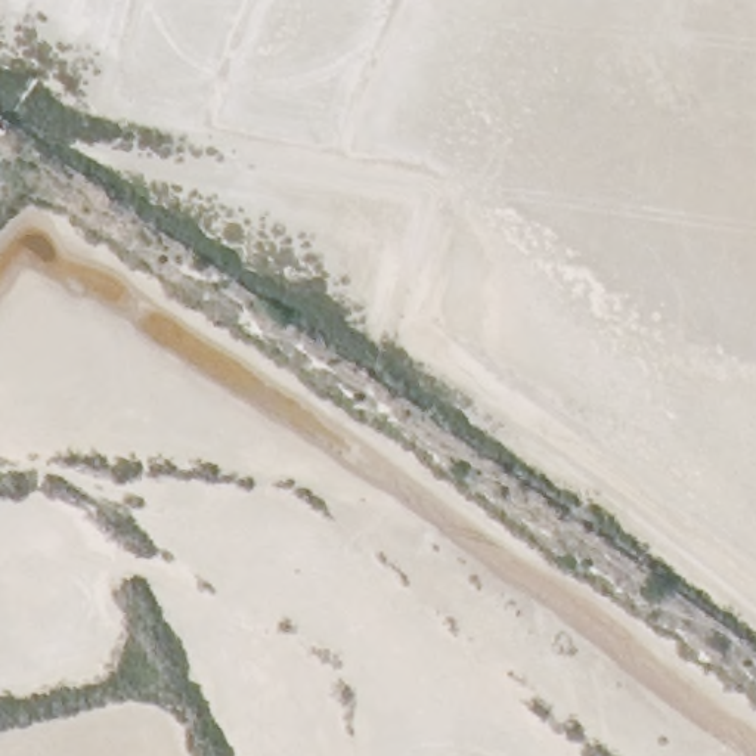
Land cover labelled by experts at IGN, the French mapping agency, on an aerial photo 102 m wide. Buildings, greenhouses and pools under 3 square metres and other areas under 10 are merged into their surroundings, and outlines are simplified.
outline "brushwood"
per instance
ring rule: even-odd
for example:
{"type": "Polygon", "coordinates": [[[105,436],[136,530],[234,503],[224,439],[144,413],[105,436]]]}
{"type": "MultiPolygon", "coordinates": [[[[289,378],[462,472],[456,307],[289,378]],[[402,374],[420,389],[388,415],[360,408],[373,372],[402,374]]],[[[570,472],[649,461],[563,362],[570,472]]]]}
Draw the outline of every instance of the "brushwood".
{"type": "Polygon", "coordinates": [[[35,473],[0,473],[0,499],[24,499],[32,493],[35,473]]]}
{"type": "Polygon", "coordinates": [[[192,756],[233,756],[233,747],[227,744],[221,726],[210,712],[210,703],[201,694],[201,685],[189,676],[189,659],[180,638],[162,617],[162,608],[148,579],[142,576],[124,579],[112,591],[112,599],[124,611],[127,632],[121,662],[106,679],[77,688],[59,685],[30,697],[0,697],[0,732],[15,726],[32,726],[38,721],[80,715],[89,709],[100,709],[106,703],[136,700],[171,712],[186,726],[186,747],[192,756]]]}

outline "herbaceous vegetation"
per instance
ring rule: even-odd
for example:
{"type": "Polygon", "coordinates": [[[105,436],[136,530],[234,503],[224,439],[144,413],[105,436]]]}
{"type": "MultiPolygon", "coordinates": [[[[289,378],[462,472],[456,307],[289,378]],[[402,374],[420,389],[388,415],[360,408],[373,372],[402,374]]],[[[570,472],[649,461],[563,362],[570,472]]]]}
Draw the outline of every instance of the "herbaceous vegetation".
{"type": "Polygon", "coordinates": [[[68,467],[86,467],[92,473],[112,475],[115,481],[130,481],[142,475],[139,461],[68,452],[53,458],[68,467]]]}
{"type": "Polygon", "coordinates": [[[313,251],[307,230],[289,233],[284,224],[272,227],[266,213],[248,219],[245,207],[219,204],[216,195],[165,183],[183,162],[183,157],[213,157],[216,162],[221,162],[224,154],[219,148],[201,148],[189,142],[183,133],[162,133],[145,124],[118,124],[109,118],[89,115],[83,89],[100,80],[100,50],[95,44],[62,41],[59,24],[44,12],[24,12],[24,21],[18,27],[0,27],[0,295],[12,286],[15,266],[44,272],[47,278],[62,284],[65,295],[71,298],[89,295],[109,304],[148,340],[174,351],[177,357],[201,369],[207,378],[251,402],[260,413],[289,425],[328,458],[334,458],[346,473],[390,493],[408,511],[431,523],[443,537],[449,537],[461,549],[458,564],[470,576],[470,585],[496,594],[499,602],[514,611],[514,617],[535,614],[537,605],[561,617],[564,623],[558,626],[552,641],[552,650],[558,656],[576,656],[588,644],[599,647],[620,670],[626,670],[632,679],[638,679],[644,688],[662,697],[670,709],[676,709],[694,726],[729,744],[732,750],[741,750],[744,756],[756,756],[756,623],[741,623],[732,611],[712,602],[706,591],[676,576],[662,558],[650,552],[647,543],[629,535],[602,505],[579,499],[579,493],[558,487],[546,473],[520,461],[496,437],[475,428],[464,416],[473,408],[473,396],[467,396],[464,390],[452,390],[440,378],[428,375],[422,363],[416,363],[402,346],[390,340],[369,340],[369,334],[363,334],[366,307],[351,301],[346,307],[343,301],[334,301],[328,295],[325,263],[313,251]]]}
{"type": "Polygon", "coordinates": [[[221,473],[210,461],[183,470],[171,461],[154,461],[154,478],[168,475],[180,481],[201,478],[213,484],[236,484],[242,490],[254,487],[251,475],[221,473]]]}
{"type": "Polygon", "coordinates": [[[35,473],[32,493],[47,493],[53,499],[80,505],[89,520],[109,532],[133,555],[154,555],[171,561],[171,549],[157,546],[151,535],[133,520],[136,508],[145,508],[142,496],[124,496],[118,502],[109,502],[89,496],[62,475],[35,473]]]}

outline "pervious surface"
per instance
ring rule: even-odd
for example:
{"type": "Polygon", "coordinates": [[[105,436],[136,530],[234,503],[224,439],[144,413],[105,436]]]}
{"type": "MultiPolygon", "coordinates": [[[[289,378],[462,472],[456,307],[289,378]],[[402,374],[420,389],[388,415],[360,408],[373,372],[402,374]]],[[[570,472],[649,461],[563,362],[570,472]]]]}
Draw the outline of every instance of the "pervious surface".
{"type": "Polygon", "coordinates": [[[369,334],[369,340],[390,340],[402,346],[416,363],[422,363],[428,375],[440,378],[452,390],[464,390],[467,396],[473,396],[473,408],[464,416],[475,428],[496,437],[520,461],[546,473],[558,487],[579,493],[579,499],[602,505],[629,535],[647,543],[650,552],[662,558],[676,576],[706,591],[712,602],[732,611],[741,623],[756,623],[756,0],[0,0],[0,27],[18,27],[24,21],[24,12],[44,12],[59,24],[62,41],[95,44],[100,50],[100,80],[83,89],[89,115],[109,118],[118,124],[145,124],[162,133],[183,133],[189,142],[201,148],[219,148],[224,154],[221,162],[216,162],[213,157],[183,157],[183,162],[165,183],[216,195],[219,204],[245,207],[248,219],[266,213],[272,227],[284,224],[289,233],[307,230],[313,251],[325,263],[328,295],[334,301],[343,301],[346,307],[351,301],[366,307],[363,334],[369,334]]]}
{"type": "Polygon", "coordinates": [[[100,709],[89,709],[80,715],[38,721],[32,726],[15,726],[0,732],[0,756],[192,756],[186,747],[186,726],[171,712],[136,700],[106,703],[100,709]]]}
{"type": "Polygon", "coordinates": [[[576,656],[558,656],[552,650],[552,641],[558,626],[564,623],[561,617],[537,605],[535,614],[514,617],[514,611],[499,602],[496,594],[470,585],[470,576],[458,564],[461,549],[449,537],[443,537],[431,523],[408,511],[390,493],[346,473],[334,458],[328,458],[289,425],[260,413],[251,402],[207,378],[201,369],[177,357],[174,351],[148,340],[109,304],[89,295],[71,298],[65,295],[62,284],[47,278],[44,272],[15,266],[12,286],[0,295],[0,473],[35,473],[62,475],[89,496],[109,502],[118,502],[124,496],[142,496],[145,508],[136,508],[133,520],[151,535],[157,546],[171,549],[171,561],[154,555],[133,555],[109,532],[89,520],[80,505],[53,499],[47,493],[32,493],[24,499],[0,499],[0,697],[30,697],[59,685],[77,688],[106,679],[121,662],[127,632],[124,611],[112,599],[112,591],[124,579],[142,576],[148,579],[162,608],[162,617],[180,638],[189,659],[189,676],[201,685],[201,694],[210,703],[210,712],[221,726],[227,744],[233,747],[233,756],[744,756],[741,750],[732,750],[729,744],[694,726],[676,709],[670,709],[662,697],[644,688],[638,679],[632,679],[626,670],[620,670],[599,647],[588,644],[576,656]],[[130,481],[115,481],[112,475],[92,473],[86,467],[68,467],[53,458],[68,452],[139,461],[142,475],[130,481]],[[242,490],[236,484],[213,484],[201,478],[180,481],[168,475],[154,478],[154,461],[171,461],[183,470],[210,461],[221,473],[251,475],[254,487],[242,490]]]}

